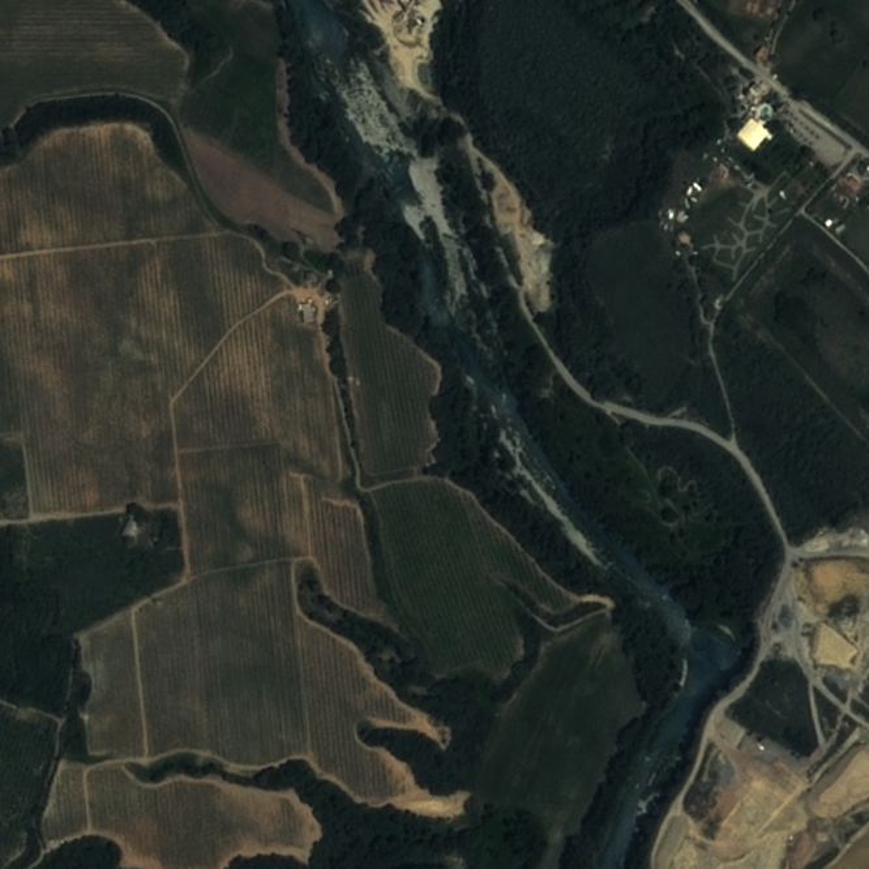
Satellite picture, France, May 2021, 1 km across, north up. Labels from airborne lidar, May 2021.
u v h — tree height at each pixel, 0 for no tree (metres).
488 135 7
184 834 0
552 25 6
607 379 12
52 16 0
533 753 0
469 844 12
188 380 0
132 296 0
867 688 0
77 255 0
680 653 23
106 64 0
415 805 0
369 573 0
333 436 0
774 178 18
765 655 0
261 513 0
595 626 0
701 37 7
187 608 0
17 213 0
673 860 0
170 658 0
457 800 0
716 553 6
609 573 6
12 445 0
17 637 6
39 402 0
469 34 7
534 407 23
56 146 0
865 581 0
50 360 0
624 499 7
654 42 19
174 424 0
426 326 10
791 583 0
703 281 10
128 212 0
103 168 0
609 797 22
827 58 0
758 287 0
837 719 0
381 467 0
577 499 21
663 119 8
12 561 8
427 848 14
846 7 0
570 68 6
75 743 7
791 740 7
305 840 0
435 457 7
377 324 0
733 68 0
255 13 0
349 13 12
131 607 0
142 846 0
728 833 0
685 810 0
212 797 0
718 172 0
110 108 10
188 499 0
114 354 0
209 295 0
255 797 0
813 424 8
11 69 0
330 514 0
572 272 10
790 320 10
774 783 0
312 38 0
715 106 6
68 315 0
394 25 0
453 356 10
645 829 23
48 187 0
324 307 0
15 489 0
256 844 0
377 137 0
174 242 0
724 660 0
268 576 0
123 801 0
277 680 0
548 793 0
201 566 0
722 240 0
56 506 0
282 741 0
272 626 0
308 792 18
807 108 0
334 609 13
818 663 0
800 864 0
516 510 28
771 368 6
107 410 0
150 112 10
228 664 0
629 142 17
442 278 13
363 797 0
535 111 6
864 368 0
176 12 14
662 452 11
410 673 20
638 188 9
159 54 0
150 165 0
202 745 0
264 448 0
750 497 6
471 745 10
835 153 0
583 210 11
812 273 11
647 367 0
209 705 0
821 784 0
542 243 0
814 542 0
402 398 0
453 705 18
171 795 0
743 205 0
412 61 0
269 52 0
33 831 9
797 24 0
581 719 0
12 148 14
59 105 8
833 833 0
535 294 0
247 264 0
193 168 0
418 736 8
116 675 0
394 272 21
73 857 19
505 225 0
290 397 0
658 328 0
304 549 0
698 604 20
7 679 7
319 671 0
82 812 0
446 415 17
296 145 9
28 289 0
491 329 15
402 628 6
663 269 0
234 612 0
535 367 19
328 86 6
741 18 0
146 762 0
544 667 0
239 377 0
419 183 0
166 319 0
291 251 15
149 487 0
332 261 8
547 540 24
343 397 8
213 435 0
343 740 0
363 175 14
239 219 0
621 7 15
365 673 0
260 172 0
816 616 0
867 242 0
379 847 15
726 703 0
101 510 0
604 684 0
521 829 23
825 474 6
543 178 9
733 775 0
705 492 10
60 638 6
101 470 0
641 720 13
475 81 8
